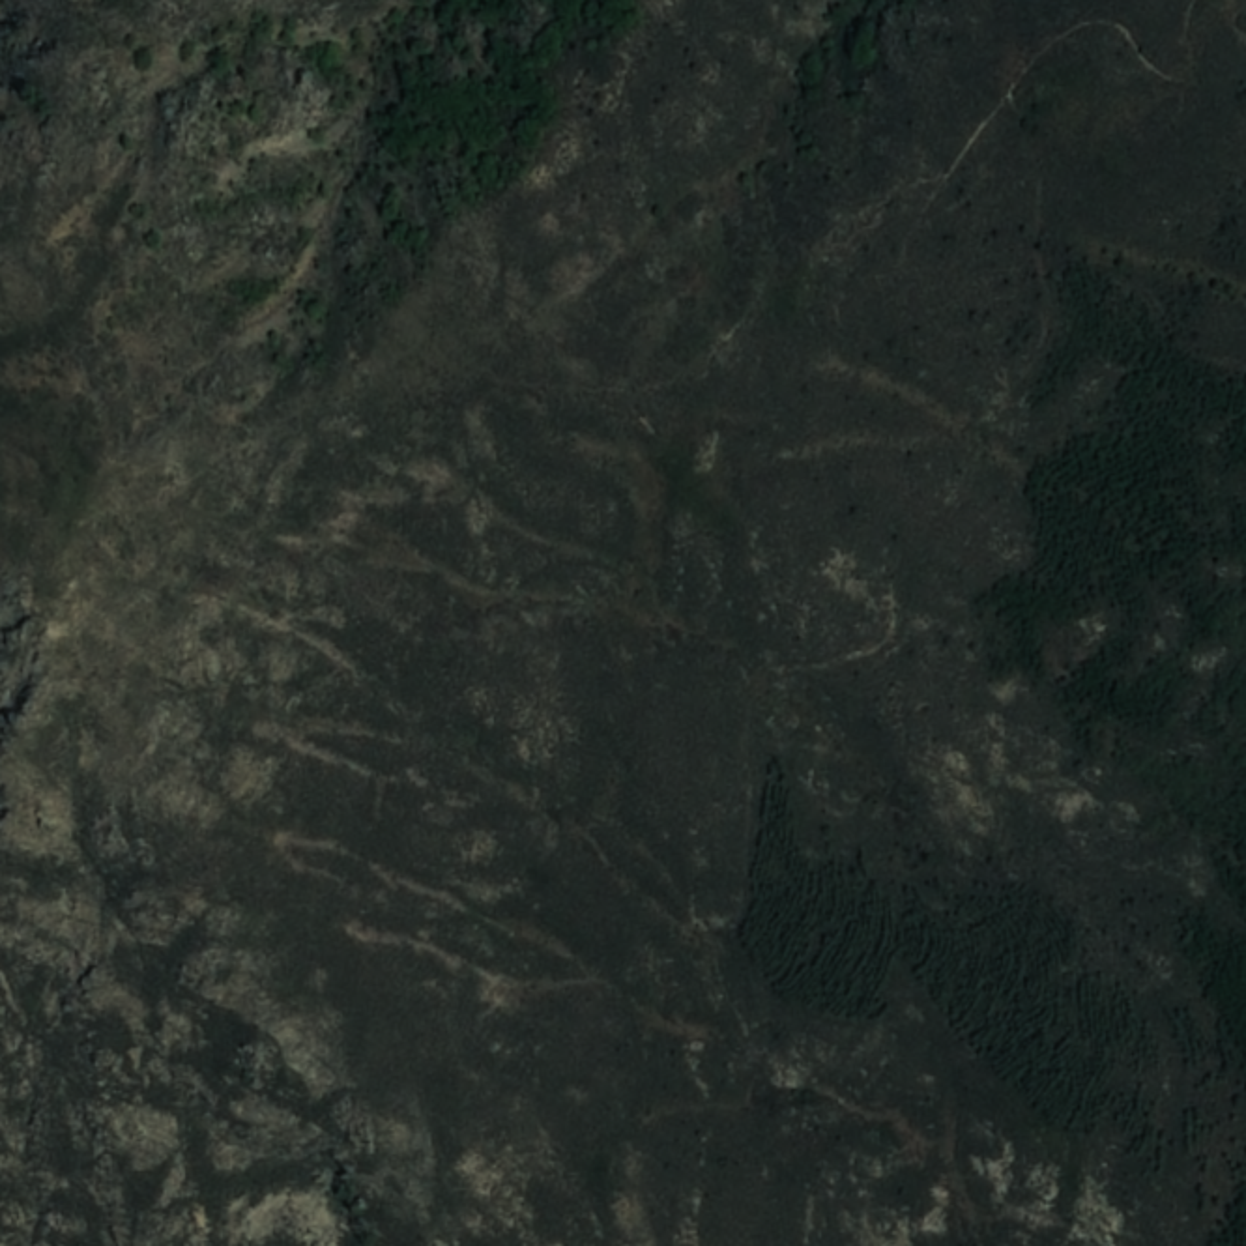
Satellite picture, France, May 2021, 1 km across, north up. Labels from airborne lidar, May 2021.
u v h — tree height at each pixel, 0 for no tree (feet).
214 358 0
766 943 24
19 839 0
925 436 0
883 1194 0
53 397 0
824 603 0
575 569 0
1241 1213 41
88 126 0
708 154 0
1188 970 19
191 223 23
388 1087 0
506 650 0
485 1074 0
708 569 0
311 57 18
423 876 0
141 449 0
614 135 0
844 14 52
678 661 0
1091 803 0
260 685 0
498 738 0
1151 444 42
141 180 0
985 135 0
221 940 0
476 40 0
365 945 0
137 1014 0
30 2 0
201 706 0
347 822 0
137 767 0
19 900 0
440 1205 0
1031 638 31
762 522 0
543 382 0
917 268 0
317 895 0
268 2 0
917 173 0
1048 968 40
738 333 0
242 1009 0
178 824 0
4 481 0
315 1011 0
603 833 0
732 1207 0
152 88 0
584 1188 0
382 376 0
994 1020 28
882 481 0
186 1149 0
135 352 0
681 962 0
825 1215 0
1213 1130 35
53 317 0
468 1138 0
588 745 0
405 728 0
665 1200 0
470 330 0
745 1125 0
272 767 0
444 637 0
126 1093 0
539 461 0
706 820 0
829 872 37
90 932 0
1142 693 33
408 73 48
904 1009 0
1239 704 53
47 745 0
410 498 0
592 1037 0
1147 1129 30
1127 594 33
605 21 27
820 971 28
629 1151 0
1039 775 0
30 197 0
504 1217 0
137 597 0
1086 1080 36
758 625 0
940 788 0
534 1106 0
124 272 0
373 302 0
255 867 0
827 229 0
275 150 0
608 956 0
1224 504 20
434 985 0
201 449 0
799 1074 0
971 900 31
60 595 0
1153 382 47
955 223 0
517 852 0
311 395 0
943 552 0
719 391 0
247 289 18
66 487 0
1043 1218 0
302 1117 0
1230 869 41
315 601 0
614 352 0
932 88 0
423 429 0
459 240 0
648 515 0
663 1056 0
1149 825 34
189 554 0
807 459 0
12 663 0
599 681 0
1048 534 31
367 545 0
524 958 0
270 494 0
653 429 0
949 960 31
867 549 0
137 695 0
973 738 0
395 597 0
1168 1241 0
